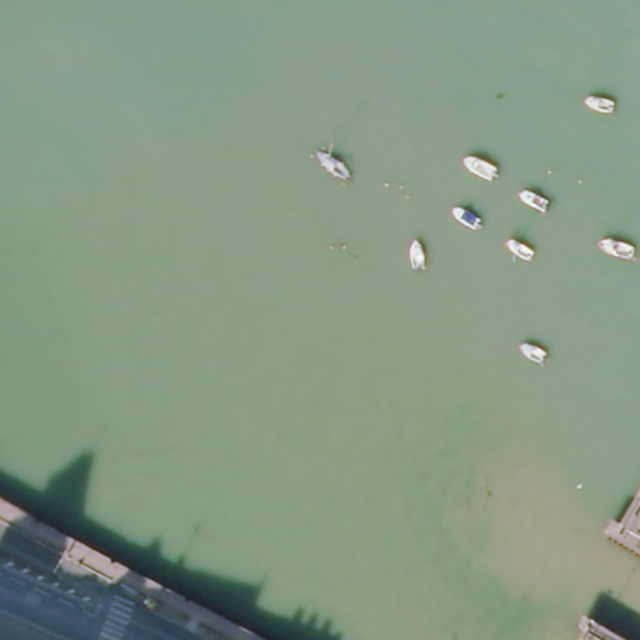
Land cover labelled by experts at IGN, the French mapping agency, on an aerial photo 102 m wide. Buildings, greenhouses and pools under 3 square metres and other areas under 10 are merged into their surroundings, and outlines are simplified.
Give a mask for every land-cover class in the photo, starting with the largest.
<instances>
[{"label":"water","instance_id":"1","mask_svg":"<svg viewBox=\"0 0 640 640\"><path fill-rule=\"evenodd\" d=\"M640 490V0H0V498L28 513L33 520L63 533L65 538H75L78 543L108 555L113 563L125 565L135 575L158 580L188 603H195L235 625H243L263 640H578V623L583 618H593L628 640H640V558L610 543L605 535V525L623 520L628 515Z\"/></svg>","mask_w":640,"mask_h":640},{"label":"impervious surface","instance_id":"2","mask_svg":"<svg viewBox=\"0 0 640 640\"><path fill-rule=\"evenodd\" d=\"M605 535L610 543L640 558V490L628 515L623 520L605 525ZM0 640H263L243 625H235L195 603H188L158 580L135 575L125 565L113 563L108 555L78 543L75 538H65L63 533L33 520L28 513L0 498ZM578 640H628L593 618H583L578 623Z\"/></svg>","mask_w":640,"mask_h":640}]
</instances>
